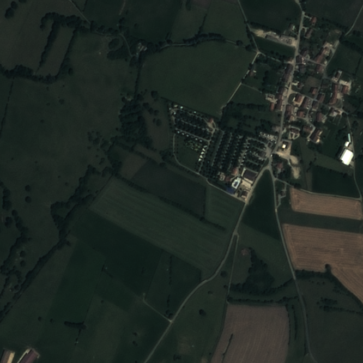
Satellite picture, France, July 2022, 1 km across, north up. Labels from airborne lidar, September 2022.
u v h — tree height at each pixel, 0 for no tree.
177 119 9
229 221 0
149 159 6
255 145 8
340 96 0
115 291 0
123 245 0
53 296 0
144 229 0
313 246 0
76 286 0
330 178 0
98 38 0
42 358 0
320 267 0
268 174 0
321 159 0
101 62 0
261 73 0
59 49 0
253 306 0
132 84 0
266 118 0
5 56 0
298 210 0
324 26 10
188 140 8
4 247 0
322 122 0
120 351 0
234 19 0
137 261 0
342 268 0
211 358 0
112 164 7
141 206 0
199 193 0
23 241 12
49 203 0
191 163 0
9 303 9
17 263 0
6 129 0
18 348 0
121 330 0
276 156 12
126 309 0
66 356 0
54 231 0
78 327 14
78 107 0
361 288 0
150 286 0
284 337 0
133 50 6
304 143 0
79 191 13
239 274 0
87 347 0
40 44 0
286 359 0
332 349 0
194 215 7
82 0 0
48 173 0
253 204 0
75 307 0
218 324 0
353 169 0
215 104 0
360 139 0
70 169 0
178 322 0
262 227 0
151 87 0
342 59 0
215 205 0
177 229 0
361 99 7
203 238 0
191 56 0
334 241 0
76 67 0
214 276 0
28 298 0
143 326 0
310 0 0
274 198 0
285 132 0
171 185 0
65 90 0
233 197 0
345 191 0
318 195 0
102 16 0
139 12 0
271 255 0
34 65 0
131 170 0
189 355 0
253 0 0
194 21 0
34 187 0
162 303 0
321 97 0
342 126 0
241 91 0
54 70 0
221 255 0
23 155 0
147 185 0
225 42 14
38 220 0
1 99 0
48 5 0
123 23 18
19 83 0
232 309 0
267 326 0
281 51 0
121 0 0
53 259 0
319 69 0
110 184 0
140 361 0
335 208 0
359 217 0
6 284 10
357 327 0
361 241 0
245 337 0
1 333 0
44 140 0
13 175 0
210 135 9
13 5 16
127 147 8
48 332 0
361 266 0
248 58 0
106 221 0
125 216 0
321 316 0
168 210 0
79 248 0
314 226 0
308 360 0
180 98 0
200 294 0
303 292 0
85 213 0
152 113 20
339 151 9
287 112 0
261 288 0
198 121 10
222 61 0
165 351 0
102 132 0
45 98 0
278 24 0
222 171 13
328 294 0
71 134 0
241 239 0
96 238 0
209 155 8
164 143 0
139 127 9
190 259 0
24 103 0
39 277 0
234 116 6
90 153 0
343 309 6
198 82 0
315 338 0
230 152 13
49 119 0
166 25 0
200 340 0
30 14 0
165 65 0
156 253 0
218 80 0
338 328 0
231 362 0
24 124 0
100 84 0
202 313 17
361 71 0
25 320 0
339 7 0
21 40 0
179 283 0
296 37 7
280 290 7
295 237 0
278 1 0
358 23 0
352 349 0
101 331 0
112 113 0
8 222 16
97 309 0
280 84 10
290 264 0
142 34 0
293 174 0
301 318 0
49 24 0
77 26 17
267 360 0
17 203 0
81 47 0
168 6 0
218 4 0
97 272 0
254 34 13
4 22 0
